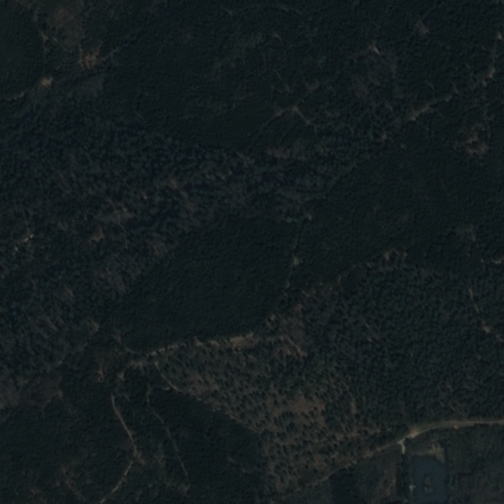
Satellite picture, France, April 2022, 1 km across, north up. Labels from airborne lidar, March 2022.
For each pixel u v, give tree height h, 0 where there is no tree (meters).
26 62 15
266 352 32
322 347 21
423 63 22
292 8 19
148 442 10
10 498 9
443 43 23
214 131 12
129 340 24
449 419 25
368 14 13
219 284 19
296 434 28
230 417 7
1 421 14
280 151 25
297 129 12
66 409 13
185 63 13
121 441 13
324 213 20
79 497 7
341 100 17
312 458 27
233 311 17
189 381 27
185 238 20
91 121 25
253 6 21
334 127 14
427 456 0
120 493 8
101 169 20
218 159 31
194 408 12
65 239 13
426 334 30
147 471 6
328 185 24
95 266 32
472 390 28
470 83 12
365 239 19
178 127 18
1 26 16
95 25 12
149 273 16
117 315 16
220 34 16
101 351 7
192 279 16
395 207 17
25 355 15
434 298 19
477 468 13
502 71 11
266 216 22
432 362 28
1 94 19
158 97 20
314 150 10
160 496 9
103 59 10
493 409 24
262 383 6
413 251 15
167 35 16
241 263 26
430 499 0
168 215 11
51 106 18
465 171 22
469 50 10
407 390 23
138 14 18
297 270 14
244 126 11
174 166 40
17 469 9
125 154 36
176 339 18
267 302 17
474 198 21
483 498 21
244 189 29
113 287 29
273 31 21
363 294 22
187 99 8
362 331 43
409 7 20
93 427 11
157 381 17
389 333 35
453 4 23
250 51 17
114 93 10
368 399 21
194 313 18
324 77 23
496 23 18
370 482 9
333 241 16
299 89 10
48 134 23
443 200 18
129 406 14
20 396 17
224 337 21
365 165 17
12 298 11
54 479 9
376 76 24
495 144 19
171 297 18
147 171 21
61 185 21
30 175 35
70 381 14
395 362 29
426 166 19
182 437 26
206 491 16
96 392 13
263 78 11
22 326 31
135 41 7
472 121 9
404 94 22
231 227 20
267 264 20
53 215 20
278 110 12
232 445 17
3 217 31
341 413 28
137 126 11
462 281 10
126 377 12
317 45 19
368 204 23
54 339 34
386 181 19
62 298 30
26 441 15
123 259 30
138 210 18
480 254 14
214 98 11
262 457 8
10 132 23
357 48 21
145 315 19
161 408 27
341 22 17
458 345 26
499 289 24
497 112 14
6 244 10
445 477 0
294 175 15
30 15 18
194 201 37
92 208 18
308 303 19
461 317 26
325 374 17
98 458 11
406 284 21
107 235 14
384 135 32
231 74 12
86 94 24
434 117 11
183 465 15
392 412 23
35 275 10
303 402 0
